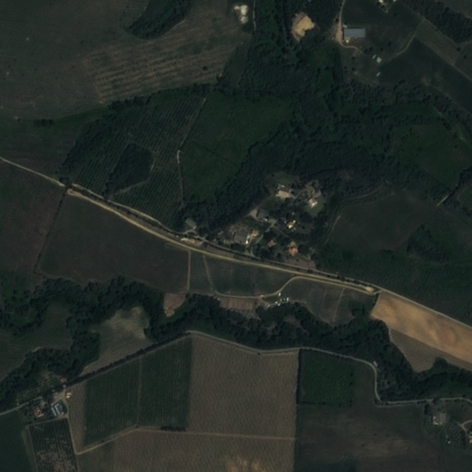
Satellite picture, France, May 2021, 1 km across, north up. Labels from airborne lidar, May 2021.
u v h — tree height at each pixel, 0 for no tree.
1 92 0
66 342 0
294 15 10
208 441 0
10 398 19
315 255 8
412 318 0
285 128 9
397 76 0
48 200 0
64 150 0
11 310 13
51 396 14
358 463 0
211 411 0
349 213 0
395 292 0
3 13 0
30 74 0
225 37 0
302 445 0
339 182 16
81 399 0
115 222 0
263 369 0
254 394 0
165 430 13
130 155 10
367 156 8
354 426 0
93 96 0
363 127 14
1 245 0
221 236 0
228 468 0
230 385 0
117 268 0
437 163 0
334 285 0
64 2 0
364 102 14
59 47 0
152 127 6
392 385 11
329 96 10
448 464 0
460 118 16
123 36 0
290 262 0
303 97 9
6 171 0
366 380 0
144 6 0
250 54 8
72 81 0
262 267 0
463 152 0
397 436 0
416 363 0
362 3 0
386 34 0
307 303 0
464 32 8
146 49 0
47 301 10
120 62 0
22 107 0
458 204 14
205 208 15
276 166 7
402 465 0
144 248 0
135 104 9
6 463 0
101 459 0
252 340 14
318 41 15
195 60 0
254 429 0
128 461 0
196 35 0
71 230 0
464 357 0
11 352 0
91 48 0
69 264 0
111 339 0
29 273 0
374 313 0
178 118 6
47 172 0
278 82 7
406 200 0
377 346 19
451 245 0
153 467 0
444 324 0
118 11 0
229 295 0
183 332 8
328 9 12
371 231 0
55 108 0
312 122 15
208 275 0
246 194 6
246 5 0
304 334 14
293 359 0
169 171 6
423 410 0
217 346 0
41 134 0
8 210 0
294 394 0
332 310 0
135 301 17
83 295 17
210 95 25
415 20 0
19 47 0
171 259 0
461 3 0
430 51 0
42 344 0
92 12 0
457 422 6
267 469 0
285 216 7
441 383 16
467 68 0
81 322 17
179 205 6
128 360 14
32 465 0
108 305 9
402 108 0
